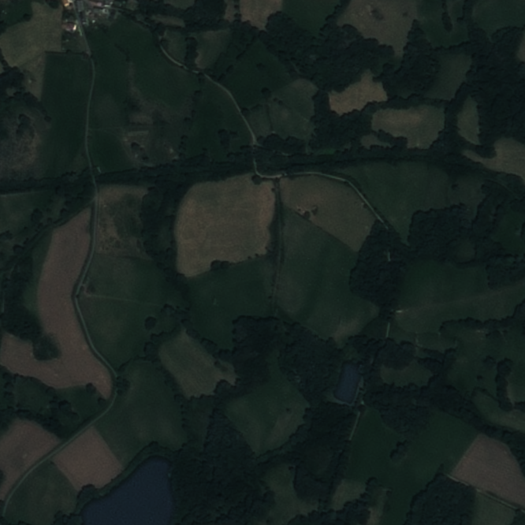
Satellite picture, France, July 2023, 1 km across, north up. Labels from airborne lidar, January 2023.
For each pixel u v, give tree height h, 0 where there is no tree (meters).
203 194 0
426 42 23
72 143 0
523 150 0
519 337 0
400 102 22
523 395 0
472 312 0
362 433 0
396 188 0
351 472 0
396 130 0
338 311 0
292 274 0
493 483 0
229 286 0
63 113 0
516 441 6
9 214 0
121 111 0
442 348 0
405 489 0
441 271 0
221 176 16
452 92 0
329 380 20
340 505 0
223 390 21
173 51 0
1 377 0
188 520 15
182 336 0
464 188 0
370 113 19
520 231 18
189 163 9
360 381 0
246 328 22
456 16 0
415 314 0
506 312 0
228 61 0
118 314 0
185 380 0
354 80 17
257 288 0
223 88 0
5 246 0
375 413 0
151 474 0
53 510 0
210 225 0
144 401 0
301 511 0
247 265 0
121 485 0
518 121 20
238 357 23
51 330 0
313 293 0
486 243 17
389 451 0
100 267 0
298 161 14
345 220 0
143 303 0
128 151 0
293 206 0
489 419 0
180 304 0
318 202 0
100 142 0
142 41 0
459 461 0
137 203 0
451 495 14
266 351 20
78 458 0
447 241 17
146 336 0
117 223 0
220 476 17
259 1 0
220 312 0
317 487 24
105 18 0
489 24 0
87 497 20
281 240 0
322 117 16
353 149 12
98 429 0
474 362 0
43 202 0
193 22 8
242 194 0
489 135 16
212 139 0
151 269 0
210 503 15
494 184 8
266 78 0
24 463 0
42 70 0
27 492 0
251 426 0
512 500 0
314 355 14
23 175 0
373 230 8
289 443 7
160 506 0
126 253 0
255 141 0
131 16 10
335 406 17
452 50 15
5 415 10
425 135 0
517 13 0
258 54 0
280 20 19
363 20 0
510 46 10
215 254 0
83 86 0
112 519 0
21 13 0
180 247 0
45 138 0
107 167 0
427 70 23
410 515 11
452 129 22
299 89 0
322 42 8
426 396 23
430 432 0
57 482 0
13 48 0
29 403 0
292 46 15
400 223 0
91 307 0
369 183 0
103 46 0
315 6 0
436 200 0
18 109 0
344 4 15
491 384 0
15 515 0
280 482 0
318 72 10
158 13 13
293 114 0
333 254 0
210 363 0
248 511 15
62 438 9
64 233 0
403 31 0
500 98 21
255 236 0
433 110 0
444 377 19
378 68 9
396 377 0
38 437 0
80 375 0
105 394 0
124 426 0
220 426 26
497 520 0
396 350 21
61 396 0
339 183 0
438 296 0
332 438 16
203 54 0
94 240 0
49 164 0
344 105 0
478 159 0
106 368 0
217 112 0
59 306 0
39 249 0
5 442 0
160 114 0
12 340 0
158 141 0
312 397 20
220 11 15
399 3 0
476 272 0
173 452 8
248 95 0
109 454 0
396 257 19
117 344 0
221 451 19
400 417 17
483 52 14
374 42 18
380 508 0
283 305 0
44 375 0
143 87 0
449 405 20
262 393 0
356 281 16
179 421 0
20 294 8
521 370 0
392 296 20
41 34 0
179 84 0
